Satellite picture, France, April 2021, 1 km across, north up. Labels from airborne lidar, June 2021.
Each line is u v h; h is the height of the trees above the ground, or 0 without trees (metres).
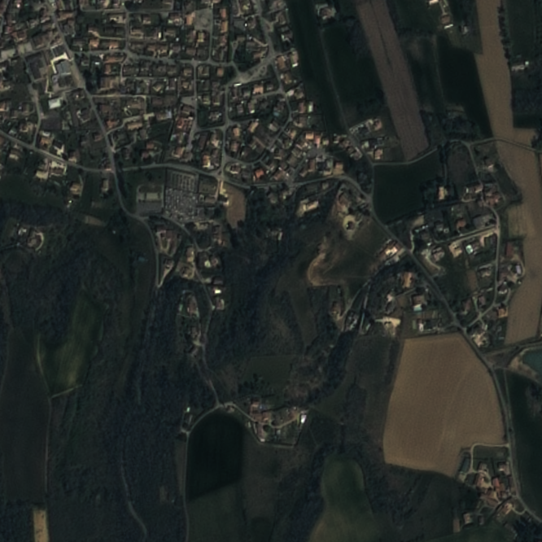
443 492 0
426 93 0
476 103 0
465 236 0
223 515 0
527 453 0
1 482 11
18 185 0
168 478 11
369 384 0
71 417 14
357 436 14
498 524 0
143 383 15
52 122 0
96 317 0
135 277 9
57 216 20
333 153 9
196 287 10
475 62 0
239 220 0
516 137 0
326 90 0
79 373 0
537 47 6
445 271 0
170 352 12
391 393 0
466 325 6
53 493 7
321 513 11
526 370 0
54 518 11
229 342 23
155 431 17
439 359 0
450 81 0
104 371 19
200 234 6
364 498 0
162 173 0
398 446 0
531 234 0
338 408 0
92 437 8
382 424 0
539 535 26
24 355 0
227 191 0
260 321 17
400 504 9
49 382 0
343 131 0
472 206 0
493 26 0
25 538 15
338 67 0
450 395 0
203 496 0
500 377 0
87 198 0
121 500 17
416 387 0
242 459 0
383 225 0
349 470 0
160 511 10
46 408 0
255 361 0
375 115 0
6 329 16
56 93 0
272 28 0
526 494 0
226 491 0
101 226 0
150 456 14
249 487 0
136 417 12
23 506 14
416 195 0
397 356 12
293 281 0
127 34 0
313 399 6
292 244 14
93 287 10
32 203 0
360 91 0
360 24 22
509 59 14
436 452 0
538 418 0
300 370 8
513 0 0
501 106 0
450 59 0
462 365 0
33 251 7
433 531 0
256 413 0
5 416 0
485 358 0
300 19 0
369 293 11
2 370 16
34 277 7
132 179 0
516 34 0
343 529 0
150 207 0
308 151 0
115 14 0
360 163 19
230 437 0
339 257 0
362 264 0
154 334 14
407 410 0
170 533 13
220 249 14
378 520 0
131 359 0
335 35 0
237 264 6
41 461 0
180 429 12
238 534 0
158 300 12
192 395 18
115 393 9
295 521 23
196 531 0
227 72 0
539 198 0
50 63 0
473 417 0
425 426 0
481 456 0
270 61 0
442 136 0
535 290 0
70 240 14
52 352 0
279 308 7
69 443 7
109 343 19
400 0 0
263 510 0
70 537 13
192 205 0
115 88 11
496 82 0
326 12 0
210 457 0
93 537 15
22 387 0
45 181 0
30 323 13
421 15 0
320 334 9
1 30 0
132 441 18
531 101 12
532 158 0
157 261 0
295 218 7
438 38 0
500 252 0
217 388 10
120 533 11
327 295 8
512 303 0
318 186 0
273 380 0
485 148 0
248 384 8
